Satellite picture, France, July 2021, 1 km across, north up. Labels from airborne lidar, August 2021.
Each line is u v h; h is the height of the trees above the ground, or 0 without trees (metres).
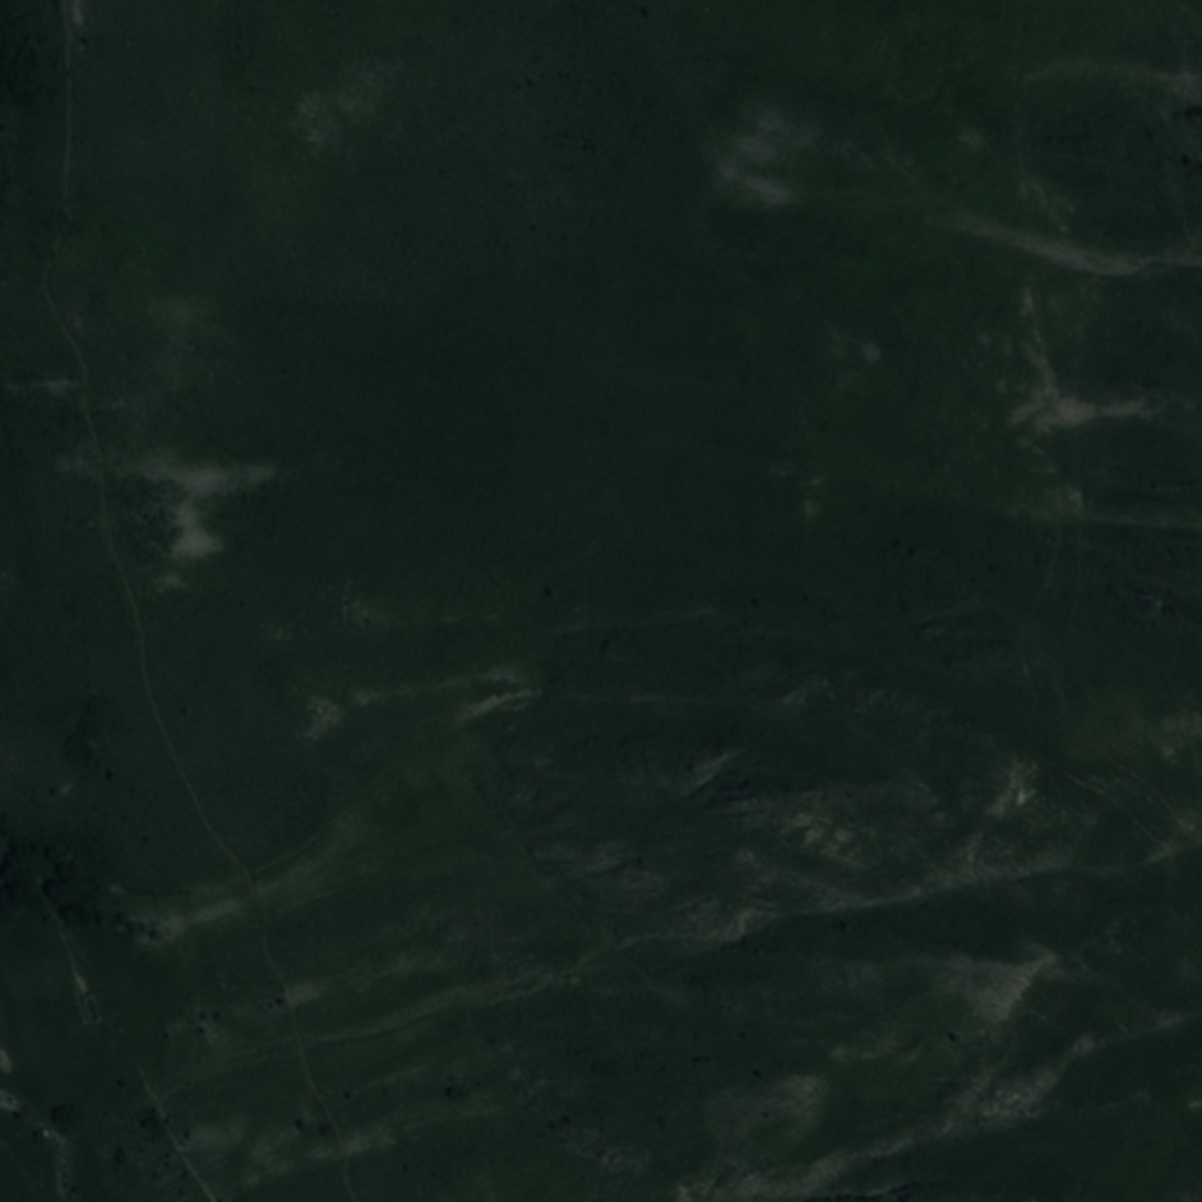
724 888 0
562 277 0
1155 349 0
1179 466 0
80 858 7
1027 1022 0
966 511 0
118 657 0
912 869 0
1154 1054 0
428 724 0
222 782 0
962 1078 0
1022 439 0
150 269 0
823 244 0
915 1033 0
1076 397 0
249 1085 0
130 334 0
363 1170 0
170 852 0
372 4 0
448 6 0
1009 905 0
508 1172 0
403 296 0
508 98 0
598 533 0
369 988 0
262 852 0
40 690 0
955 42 0
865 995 0
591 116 0
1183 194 0
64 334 0
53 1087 0
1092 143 0
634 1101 0
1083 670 0
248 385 0
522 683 0
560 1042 0
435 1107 0
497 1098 0
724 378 0
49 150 0
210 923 0
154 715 0
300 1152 0
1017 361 0
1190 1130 0
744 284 0
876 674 0
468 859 0
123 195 0
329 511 0
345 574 0
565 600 0
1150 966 0
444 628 0
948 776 0
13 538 0
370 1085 0
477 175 0
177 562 0
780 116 0
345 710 0
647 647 0
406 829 0
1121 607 0
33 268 0
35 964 0
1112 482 0
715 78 0
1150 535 0
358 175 0
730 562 0
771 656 0
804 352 0
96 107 0
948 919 0
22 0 0
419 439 0
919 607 0
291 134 0
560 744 0
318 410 0
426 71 0
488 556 0
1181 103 0
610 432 0
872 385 0
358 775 0
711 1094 0
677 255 0
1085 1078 0
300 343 0
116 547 0
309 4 0
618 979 0
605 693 0
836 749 0
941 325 0
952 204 0
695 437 0
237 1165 0
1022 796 0
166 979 0
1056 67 0
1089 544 0
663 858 0
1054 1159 0
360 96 0
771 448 0
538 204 0
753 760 0
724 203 0
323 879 0
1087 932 0
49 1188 0
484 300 0
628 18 0
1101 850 0
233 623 0
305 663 0
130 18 0
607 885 0
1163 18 0
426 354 0
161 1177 8
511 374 0
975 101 0
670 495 0
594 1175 0
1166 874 0
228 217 0
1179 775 0
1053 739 0
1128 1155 0
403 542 0
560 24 0
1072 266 0
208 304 0
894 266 0
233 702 0
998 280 0
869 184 0
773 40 0
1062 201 0
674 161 0
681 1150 0
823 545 0
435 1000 0
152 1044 0
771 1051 0
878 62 0
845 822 0
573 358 0
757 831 0
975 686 0
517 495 0
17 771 0
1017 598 0
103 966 0
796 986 0
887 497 0
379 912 0
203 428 0
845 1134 0
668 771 0
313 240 0
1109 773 0
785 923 0
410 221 0
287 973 0
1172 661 0
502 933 0
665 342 0
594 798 0
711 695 0
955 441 0
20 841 12
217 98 0
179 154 0
